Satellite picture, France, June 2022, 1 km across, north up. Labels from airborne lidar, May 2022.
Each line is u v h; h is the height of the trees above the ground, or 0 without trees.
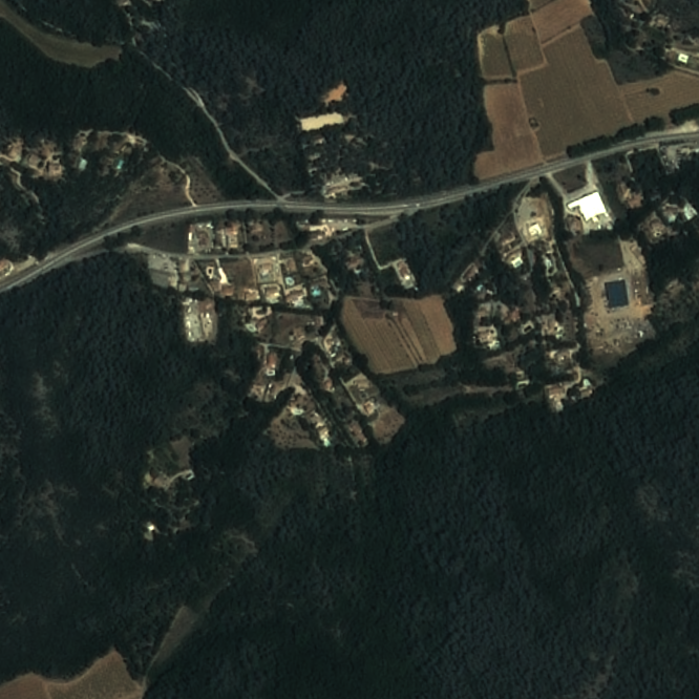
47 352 7
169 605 12
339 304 11
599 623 14
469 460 10
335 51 20
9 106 9
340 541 11
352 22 14
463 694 20
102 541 6
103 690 0
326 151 18
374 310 0
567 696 8
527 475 15
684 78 0
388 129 20
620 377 11
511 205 8
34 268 0
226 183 7
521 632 16
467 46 22
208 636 9
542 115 0
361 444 10
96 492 10
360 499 13
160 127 8
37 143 20
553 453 13
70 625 9
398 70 21
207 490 9
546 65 0
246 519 12
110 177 9
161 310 11
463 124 7
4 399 6
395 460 15
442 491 17
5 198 15
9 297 9
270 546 10
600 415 14
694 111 21
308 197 18
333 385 9
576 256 0
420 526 9
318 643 13
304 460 15
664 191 12
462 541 21
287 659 16
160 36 21
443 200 0
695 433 17
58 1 9
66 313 8
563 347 11
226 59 18
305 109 10
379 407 0
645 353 16
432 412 20
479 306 8
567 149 0
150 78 14
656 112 0
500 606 18
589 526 20
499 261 11
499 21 11
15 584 7
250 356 8
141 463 10
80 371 9
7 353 10
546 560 20
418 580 14
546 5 0
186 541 14
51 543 6
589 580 14
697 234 14
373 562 17
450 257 15
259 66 17
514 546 24
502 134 0
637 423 10
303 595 8
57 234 20
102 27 15
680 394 20
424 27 10
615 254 0
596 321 0
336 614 11
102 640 16
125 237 14
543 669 15
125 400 13
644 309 0
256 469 19
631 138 21
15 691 0
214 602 9
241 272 0
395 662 14
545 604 19
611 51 10
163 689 19
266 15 9
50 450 7
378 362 0
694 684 8
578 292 6
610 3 19
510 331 6
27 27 0
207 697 14
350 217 0
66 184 7
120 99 7
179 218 0
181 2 22
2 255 12
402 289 11
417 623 23
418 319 0
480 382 13
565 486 13
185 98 11
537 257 10
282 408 10
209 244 0
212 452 17
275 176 10
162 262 0
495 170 0
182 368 13
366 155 16
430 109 10
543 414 17
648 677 22
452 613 19
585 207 0
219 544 12
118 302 22
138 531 13
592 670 12
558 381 9
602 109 0
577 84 0
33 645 10
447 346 0
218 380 7
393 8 16
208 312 0
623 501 11
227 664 21
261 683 25
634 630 8
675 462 15
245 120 12
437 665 13
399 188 17
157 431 23
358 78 20
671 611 10
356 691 13
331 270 9
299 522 18
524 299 21
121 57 8
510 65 0
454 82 8
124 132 7
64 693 0
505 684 14
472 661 21
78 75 6
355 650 10
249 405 18
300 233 9
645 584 9
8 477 11
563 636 17
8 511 8
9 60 7
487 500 23
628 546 6
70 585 6
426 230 16
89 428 17
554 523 19
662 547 8
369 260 11
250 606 18
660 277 15
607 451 12
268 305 6
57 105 10
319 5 11
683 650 6
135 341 22
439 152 16
